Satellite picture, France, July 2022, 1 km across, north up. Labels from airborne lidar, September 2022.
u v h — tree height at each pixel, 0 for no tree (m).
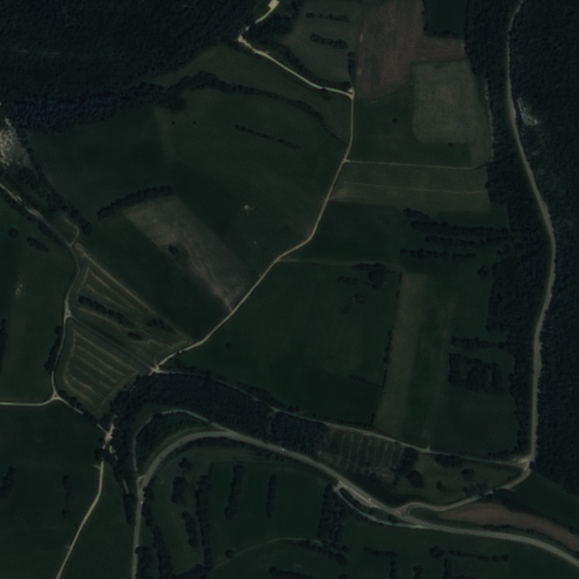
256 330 0
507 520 0
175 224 0
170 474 0
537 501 0
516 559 0
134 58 15
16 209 14
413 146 0
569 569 0
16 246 0
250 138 0
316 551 18
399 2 0
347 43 15
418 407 0
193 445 9
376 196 0
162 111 0
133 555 0
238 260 0
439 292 0
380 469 0
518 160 21
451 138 0
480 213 0
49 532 0
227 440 17
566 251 12
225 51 0
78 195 0
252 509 0
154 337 0
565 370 13
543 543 0
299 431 27
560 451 19
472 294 0
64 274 0
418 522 0
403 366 0
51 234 20
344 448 0
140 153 0
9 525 0
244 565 0
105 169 0
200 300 0
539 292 18
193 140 0
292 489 0
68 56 15
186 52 19
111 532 0
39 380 0
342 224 0
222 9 21
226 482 0
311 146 0
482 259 0
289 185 0
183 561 0
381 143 0
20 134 12
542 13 13
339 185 0
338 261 0
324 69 0
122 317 23
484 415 0
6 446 0
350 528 0
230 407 22
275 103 0
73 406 14
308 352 0
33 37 11
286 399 0
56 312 0
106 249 0
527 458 0
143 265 0
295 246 0
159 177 0
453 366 15
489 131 0
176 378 19
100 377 0
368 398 0
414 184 0
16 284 0
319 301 0
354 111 0
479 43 17
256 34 10
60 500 0
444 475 0
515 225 17
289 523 0
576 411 17
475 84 0
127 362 0
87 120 21
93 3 18
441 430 0
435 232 19
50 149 0
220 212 0
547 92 13
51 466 0
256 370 0
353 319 0
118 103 21
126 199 11
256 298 0
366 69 0
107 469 0
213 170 0
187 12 16
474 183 0
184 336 0
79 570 0
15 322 0
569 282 14
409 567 0
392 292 0
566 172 9
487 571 0
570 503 0
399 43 0
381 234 0
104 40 10
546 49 15
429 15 11
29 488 0
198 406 21
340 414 0
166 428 10
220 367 0
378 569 0
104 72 14
